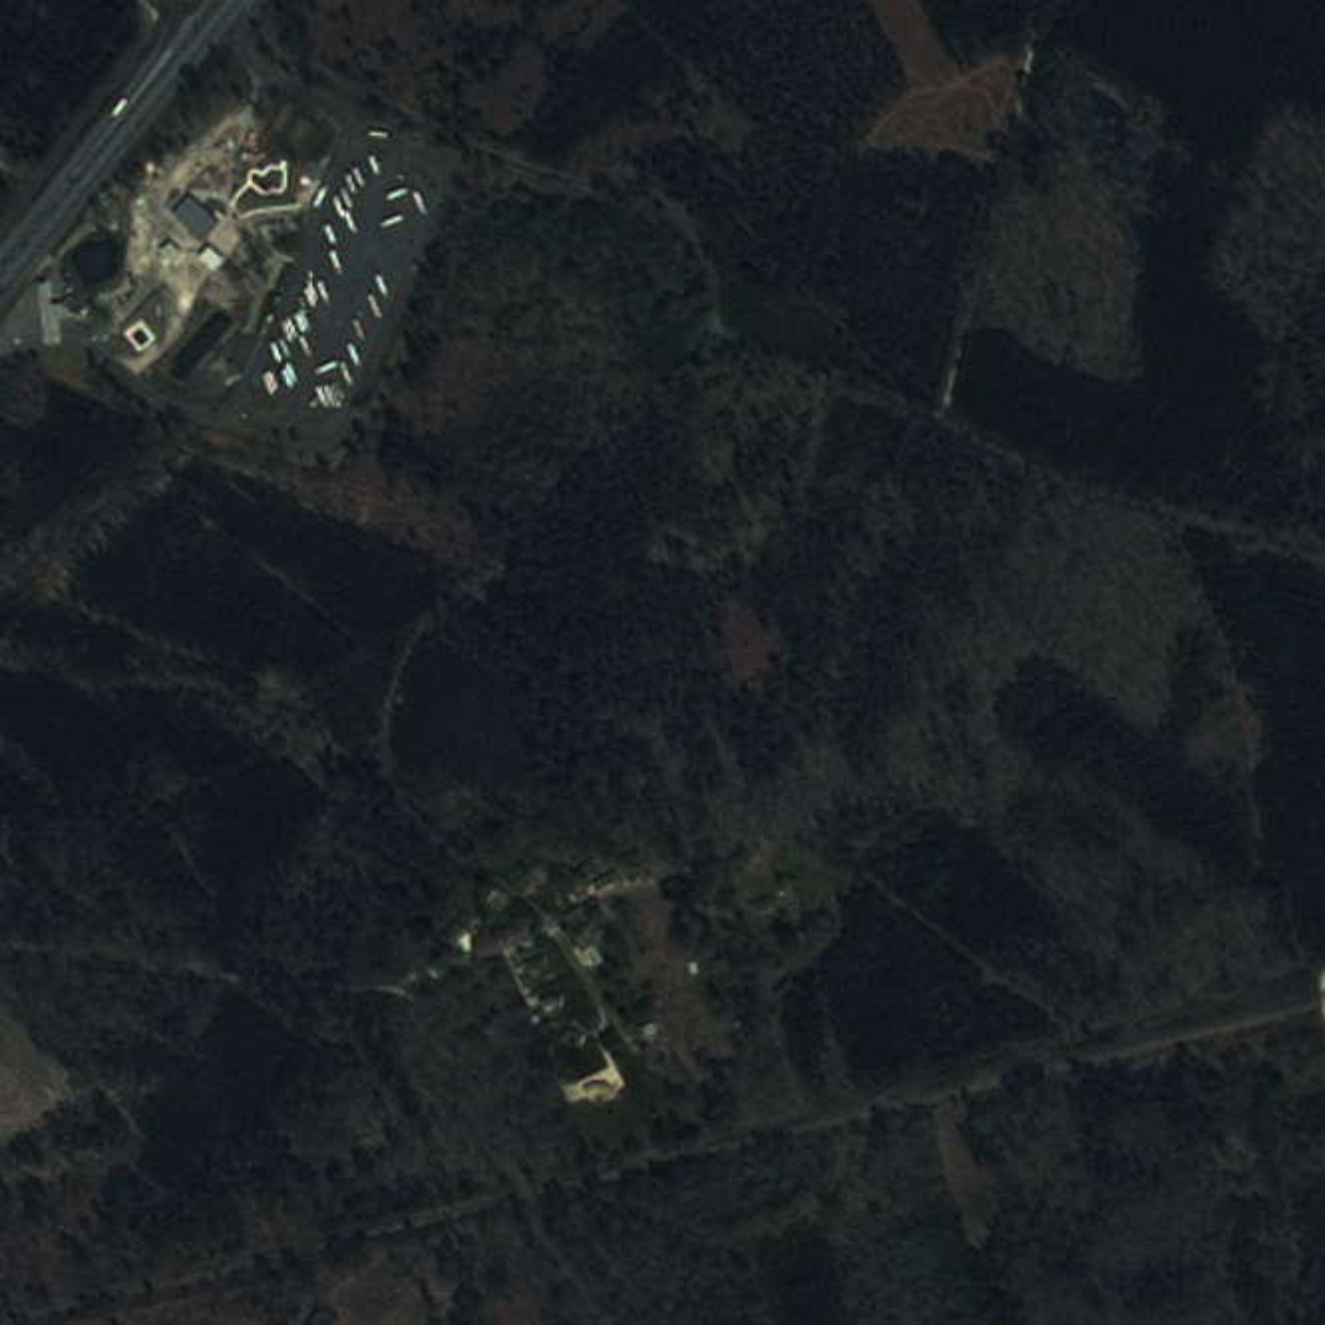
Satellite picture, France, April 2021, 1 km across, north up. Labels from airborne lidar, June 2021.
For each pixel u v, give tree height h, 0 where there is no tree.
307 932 23
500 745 7
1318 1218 9
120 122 0
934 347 12
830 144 18
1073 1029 13
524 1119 14
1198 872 15
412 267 0
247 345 0
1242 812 15
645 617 20
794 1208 23
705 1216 20
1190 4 8
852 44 18
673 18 11
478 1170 11
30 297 0
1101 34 10
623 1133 0
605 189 18
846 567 14
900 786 21
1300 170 16
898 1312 16
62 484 6
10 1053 0
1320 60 9
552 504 10
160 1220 23
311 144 0
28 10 14
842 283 11
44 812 10
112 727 10
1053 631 17
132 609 11
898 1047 12
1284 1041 12
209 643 13
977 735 14
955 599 21
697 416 21
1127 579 21
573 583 19
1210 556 10
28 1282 7
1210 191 7
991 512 15
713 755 21
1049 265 18
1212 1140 12
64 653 8
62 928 17
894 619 22
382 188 0
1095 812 15
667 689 21
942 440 16
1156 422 9
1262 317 20
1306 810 8
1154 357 10
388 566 8
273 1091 8
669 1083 8
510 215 11
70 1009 19
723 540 18
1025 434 11
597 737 18
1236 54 9
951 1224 9
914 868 9
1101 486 15
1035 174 20
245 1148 21
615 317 12
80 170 0
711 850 21
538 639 22
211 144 0
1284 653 7
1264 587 8
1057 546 15
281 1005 25
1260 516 7
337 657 13
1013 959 16
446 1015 20
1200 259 11
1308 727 8
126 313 0
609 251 14
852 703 20
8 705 8
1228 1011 6
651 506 21
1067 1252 8
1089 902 13
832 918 8
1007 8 20
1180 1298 19
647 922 0
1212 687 15
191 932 9
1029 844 13
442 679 8
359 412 12
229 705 8
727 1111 24
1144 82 10
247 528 7
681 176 14
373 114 11
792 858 0
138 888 18
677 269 20
